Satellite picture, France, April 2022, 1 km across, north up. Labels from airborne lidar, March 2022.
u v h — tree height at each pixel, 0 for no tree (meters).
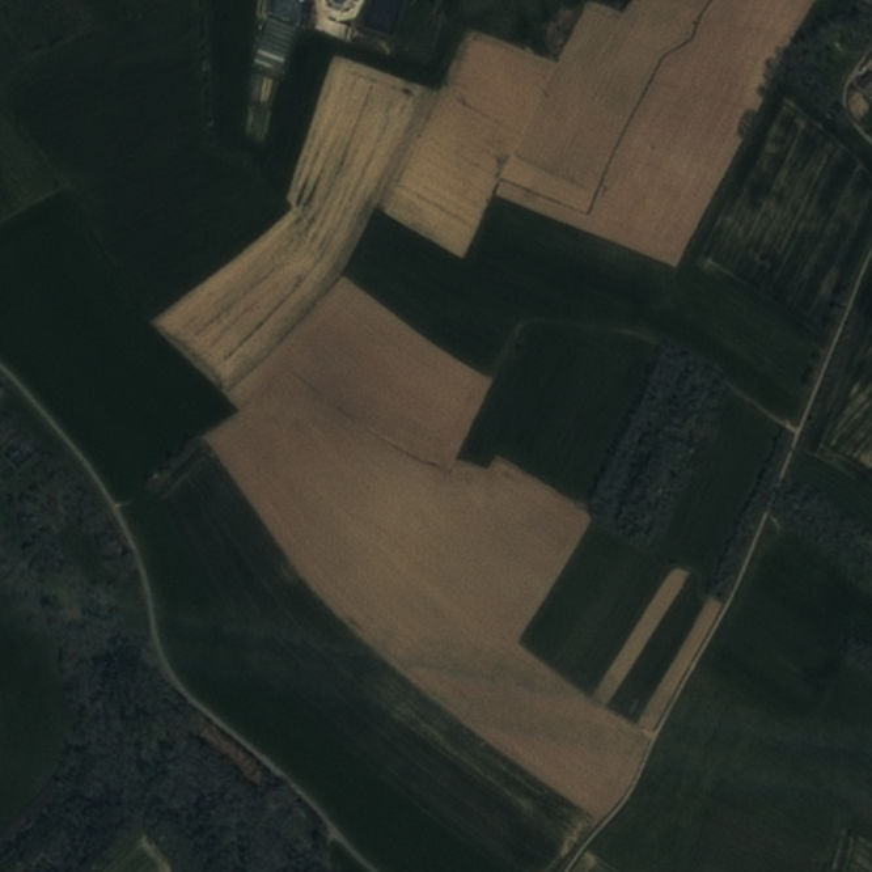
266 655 0
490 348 0
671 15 0
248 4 0
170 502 0
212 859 29
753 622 0
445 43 0
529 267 0
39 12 0
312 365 0
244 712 0
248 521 0
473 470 0
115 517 0
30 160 0
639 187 0
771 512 16
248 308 0
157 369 0
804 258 0
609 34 0
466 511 0
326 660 0
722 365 0
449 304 0
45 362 0
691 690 0
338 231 0
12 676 0
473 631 0
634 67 0
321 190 0
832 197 0
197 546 0
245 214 0
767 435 0
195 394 0
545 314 0
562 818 0
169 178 0
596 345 0
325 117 0
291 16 0
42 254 0
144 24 0
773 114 0
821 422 0
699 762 0
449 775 0
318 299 0
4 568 19
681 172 0
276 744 0
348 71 0
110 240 0
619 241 0
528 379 0
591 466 0
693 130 0
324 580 0
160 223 0
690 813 0
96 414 0
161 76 0
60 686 0
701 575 0
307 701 0
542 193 0
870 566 23
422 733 0
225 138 0
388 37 0
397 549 0
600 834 0
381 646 0
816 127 0
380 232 0
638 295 0
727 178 0
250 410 0
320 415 0
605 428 0
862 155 0
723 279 0
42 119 0
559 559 0
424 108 0
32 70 0
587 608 0
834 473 0
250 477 0
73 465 0
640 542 20
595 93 0
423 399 0
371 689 0
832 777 0
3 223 0
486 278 0
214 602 0
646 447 18
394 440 0
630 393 0
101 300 0
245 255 0
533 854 0
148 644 16
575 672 0
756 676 0
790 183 0
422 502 0
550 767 0
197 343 0
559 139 0
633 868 0
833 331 19
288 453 0
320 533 0
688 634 0
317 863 20
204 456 0
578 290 0
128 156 0
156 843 19
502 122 0
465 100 0
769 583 0
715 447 0
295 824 26
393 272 0
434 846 0
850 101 0
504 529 0
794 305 0
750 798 0
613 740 0
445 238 0
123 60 0
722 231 0
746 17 0
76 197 0
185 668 0
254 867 25
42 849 20
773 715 0
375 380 0
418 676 0
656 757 0
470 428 0
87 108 0
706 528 0
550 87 0
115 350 0
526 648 0
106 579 0
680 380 23
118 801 32
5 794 0
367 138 0
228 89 0
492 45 0
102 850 27
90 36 0
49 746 0
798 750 0
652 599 0
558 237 0
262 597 0
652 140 0
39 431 0
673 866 0
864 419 0
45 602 9
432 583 0
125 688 31
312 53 0
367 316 0
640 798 0
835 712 0
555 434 0
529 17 0
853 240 0
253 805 31
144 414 0
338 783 0
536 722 0
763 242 0
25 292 0
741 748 0
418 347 0
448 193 0
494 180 0
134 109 0
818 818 0
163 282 0
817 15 0
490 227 0
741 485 0
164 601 0
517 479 0
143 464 0
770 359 0
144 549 0
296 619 0
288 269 0
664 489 21
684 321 0
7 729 0
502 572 0
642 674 0
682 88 0
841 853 0
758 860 0
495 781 0
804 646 0
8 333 0
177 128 0
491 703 0
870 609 0
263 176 0
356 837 0
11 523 0
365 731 0
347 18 0
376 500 0
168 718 27
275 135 0
